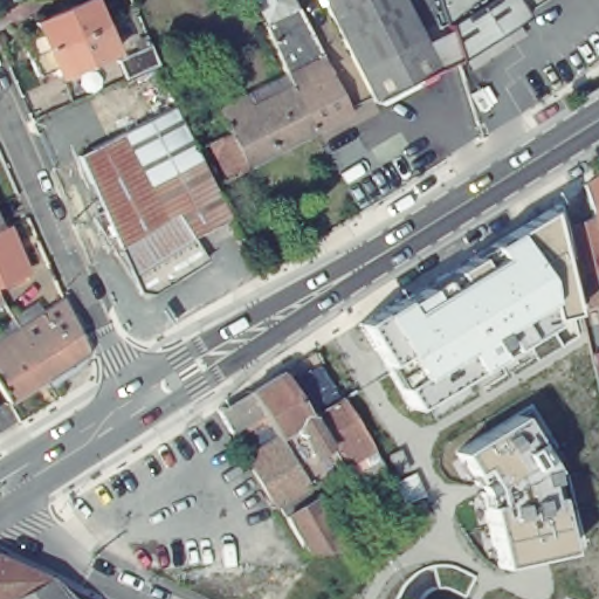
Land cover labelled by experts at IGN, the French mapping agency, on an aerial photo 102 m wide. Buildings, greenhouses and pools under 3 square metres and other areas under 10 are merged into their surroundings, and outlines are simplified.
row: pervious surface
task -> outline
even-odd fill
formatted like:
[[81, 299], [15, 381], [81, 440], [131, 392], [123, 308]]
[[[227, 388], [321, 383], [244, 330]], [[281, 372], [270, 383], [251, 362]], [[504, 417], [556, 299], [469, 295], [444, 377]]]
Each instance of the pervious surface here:
[[157, 110], [164, 101], [171, 103], [173, 98], [173, 94], [161, 91], [157, 87], [159, 66], [152, 66], [138, 75], [126, 70], [122, 77], [112, 77], [98, 91], [89, 94], [96, 117], [105, 133], [126, 126], [131, 119], [138, 119], [145, 112]]

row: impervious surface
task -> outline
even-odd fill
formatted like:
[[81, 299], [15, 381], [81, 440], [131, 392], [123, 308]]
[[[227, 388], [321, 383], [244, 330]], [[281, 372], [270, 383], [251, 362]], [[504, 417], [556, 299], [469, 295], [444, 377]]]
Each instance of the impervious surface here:
[[473, 480], [466, 466], [475, 461], [475, 456], [463, 452], [456, 456], [454, 470], [459, 477]]
[[447, 21], [452, 16], [447, 9], [447, 0], [412, 0], [412, 7], [431, 40], [442, 37], [435, 21]]
[[433, 573], [424, 573], [407, 587], [405, 599], [428, 599], [433, 592], [438, 592], [435, 583]]
[[208, 564], [211, 557], [218, 557], [222, 552], [227, 569], [234, 569], [234, 564], [239, 564], [241, 559], [250, 559], [257, 564], [290, 562], [297, 557], [297, 552], [269, 515], [267, 498], [260, 491], [267, 484], [267, 480], [253, 468], [243, 473], [227, 466], [225, 445], [236, 433], [225, 407], [246, 400], [248, 395], [262, 391], [283, 374], [290, 374], [304, 391], [309, 384], [316, 381], [311, 367], [321, 365], [321, 346], [330, 344], [332, 349], [339, 349], [344, 353], [346, 365], [353, 370], [353, 379], [358, 384], [363, 388], [363, 398], [370, 405], [379, 426], [398, 445], [407, 445], [414, 456], [414, 463], [405, 470], [405, 473], [414, 466], [424, 468], [431, 489], [435, 491], [440, 496], [440, 503], [433, 512], [431, 529], [407, 552], [391, 559], [388, 566], [379, 571], [374, 580], [367, 585], [367, 590], [358, 599], [384, 599], [386, 590], [393, 585], [398, 573], [426, 559], [456, 559], [468, 564], [477, 571], [477, 576], [468, 580], [468, 587], [461, 594], [461, 599], [548, 599], [552, 594], [552, 566], [545, 562], [541, 566], [529, 569], [501, 569], [498, 564], [489, 569], [473, 552], [463, 529], [456, 524], [456, 508], [468, 496], [475, 498], [473, 508], [484, 512], [498, 508], [496, 494], [484, 501], [484, 491], [475, 482], [470, 487], [459, 487], [445, 482], [435, 473], [433, 445], [438, 435], [456, 421], [466, 419], [468, 414], [477, 412], [480, 407], [484, 407], [487, 402], [508, 395], [515, 386], [550, 367], [559, 358], [566, 358], [573, 351], [578, 351], [583, 344], [590, 342], [592, 351], [599, 353], [599, 325], [592, 325], [592, 321], [585, 318], [585, 328], [578, 325], [571, 332], [571, 339], [557, 346], [552, 353], [536, 360], [529, 370], [515, 374], [512, 367], [501, 367], [496, 374], [480, 370], [473, 379], [468, 379], [468, 384], [480, 386], [480, 391], [480, 398], [475, 398], [475, 402], [459, 407], [456, 412], [452, 412], [449, 419], [440, 419], [433, 426], [419, 426], [400, 416], [395, 407], [388, 402], [381, 388], [381, 379], [388, 377], [386, 365], [365, 337], [365, 330], [370, 325], [377, 325], [416, 302], [428, 300], [433, 292], [442, 290], [449, 283], [456, 283], [463, 290], [470, 288], [466, 269], [484, 262], [491, 250], [501, 250], [501, 246], [512, 246], [524, 236], [524, 229], [550, 220], [552, 215], [566, 215], [569, 228], [592, 220], [592, 211], [585, 194], [585, 173], [592, 168], [594, 173], [599, 173], [599, 0], [536, 0], [536, 9], [526, 14], [526, 21], [522, 23], [524, 40], [491, 58], [487, 66], [473, 68], [468, 61], [461, 68], [456, 68], [456, 73], [449, 80], [440, 80], [438, 84], [426, 87], [424, 91], [400, 103], [374, 105], [367, 96], [370, 91], [374, 91], [372, 82], [363, 63], [358, 61], [358, 54], [342, 21], [332, 23], [325, 9], [318, 5], [318, 0], [297, 0], [297, 5], [307, 12], [325, 49], [328, 63], [335, 70], [339, 84], [344, 87], [359, 121], [358, 126], [351, 126], [332, 136], [330, 143], [323, 145], [323, 154], [330, 154], [337, 161], [337, 171], [349, 183], [346, 187], [363, 213], [346, 220], [342, 227], [335, 227], [321, 241], [321, 248], [314, 257], [307, 257], [302, 262], [285, 262], [278, 267], [278, 271], [267, 276], [253, 276], [241, 257], [241, 236], [232, 227], [227, 225], [222, 229], [215, 229], [211, 239], [199, 239], [201, 248], [206, 250], [204, 260], [183, 271], [178, 278], [168, 281], [166, 285], [157, 288], [154, 297], [147, 295], [124, 255], [122, 234], [117, 239], [110, 236], [110, 227], [103, 211], [108, 211], [110, 206], [103, 197], [98, 180], [87, 187], [87, 183], [77, 173], [77, 159], [84, 157], [82, 147], [89, 140], [105, 133], [96, 117], [89, 94], [98, 91], [112, 77], [122, 77], [126, 70], [126, 63], [117, 58], [103, 61], [98, 66], [98, 73], [84, 73], [82, 87], [77, 82], [63, 80], [63, 70], [56, 70], [54, 75], [47, 70], [37, 80], [35, 89], [19, 84], [16, 70], [12, 70], [11, 64], [0, 42], [0, 187], [5, 194], [12, 194], [19, 201], [16, 213], [30, 232], [30, 243], [37, 253], [35, 264], [28, 271], [28, 276], [19, 278], [19, 283], [9, 292], [2, 290], [5, 302], [19, 311], [28, 311], [33, 307], [42, 307], [47, 311], [49, 307], [68, 302], [89, 342], [89, 349], [77, 358], [80, 365], [54, 377], [51, 386], [42, 384], [40, 393], [47, 407], [37, 414], [21, 419], [16, 405], [14, 400], [5, 402], [0, 395], [0, 555], [7, 555], [12, 559], [19, 559], [28, 566], [35, 566], [44, 573], [61, 578], [77, 599], [204, 599], [152, 576], [152, 569], [159, 566], [159, 559], [166, 559], [171, 564], [183, 564], [187, 559], [190, 564]]
[[150, 42], [140, 16], [133, 19], [133, 35], [122, 37], [126, 58], [152, 54], [159, 63], [161, 51]]
[[26, 19], [30, 19], [37, 26], [89, 0], [0, 0], [0, 30], [7, 30], [12, 23]]

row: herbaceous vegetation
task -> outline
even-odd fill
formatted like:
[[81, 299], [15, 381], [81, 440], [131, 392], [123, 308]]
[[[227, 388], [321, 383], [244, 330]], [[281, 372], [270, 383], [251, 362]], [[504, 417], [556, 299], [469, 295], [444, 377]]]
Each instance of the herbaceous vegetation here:
[[161, 42], [171, 37], [180, 47], [185, 47], [197, 35], [213, 35], [215, 40], [229, 47], [229, 54], [236, 68], [241, 70], [246, 94], [267, 87], [271, 80], [264, 77], [260, 68], [260, 47], [250, 30], [236, 16], [211, 14], [206, 9], [206, 0], [103, 0], [122, 37], [133, 35], [133, 19], [140, 16], [150, 42], [161, 51]]
[[40, 393], [16, 405], [21, 419], [37, 414], [47, 407]]
[[7, 227], [16, 229], [28, 262], [35, 264], [37, 253], [30, 243], [30, 232], [16, 213], [19, 201], [12, 194], [5, 194], [0, 187], [0, 215]]
[[398, 480], [405, 480], [405, 473], [405, 470], [398, 463], [393, 463], [398, 445], [379, 426], [370, 405], [363, 398], [356, 395], [351, 407], [358, 412], [365, 428], [370, 431], [381, 466], [391, 470]]
[[599, 377], [594, 377], [590, 358], [585, 358], [578, 351], [573, 351], [566, 358], [559, 358], [550, 367], [515, 386], [508, 395], [487, 402], [484, 407], [480, 407], [477, 412], [468, 414], [466, 419], [456, 421], [438, 435], [433, 445], [435, 473], [445, 482], [459, 487], [470, 487], [475, 482], [473, 480], [459, 477], [454, 470], [456, 456], [463, 452], [456, 447], [454, 440], [468, 442], [473, 438], [473, 442], [477, 442], [505, 421], [510, 421], [512, 416], [517, 416], [524, 405], [536, 405], [536, 421], [548, 433], [555, 456], [566, 468], [564, 496], [573, 503], [580, 533], [587, 538], [585, 557], [552, 566], [552, 594], [548, 599], [599, 599]]
[[388, 377], [381, 379], [381, 388], [388, 402], [395, 407], [400, 416], [419, 426], [433, 426], [440, 419], [449, 419], [452, 412], [456, 412], [459, 407], [475, 402], [475, 398], [480, 398], [480, 391], [470, 391], [468, 398], [447, 407], [445, 412], [428, 414], [409, 409]]
[[456, 571], [440, 571], [440, 580], [435, 583], [438, 592], [433, 592], [428, 599], [461, 599], [461, 594], [468, 587], [468, 580]]
[[342, 227], [346, 220], [363, 213], [346, 187], [349, 183], [337, 171], [337, 161], [330, 154], [323, 154], [323, 145], [318, 140], [309, 140], [309, 145], [300, 145], [288, 157], [283, 154], [271, 161], [264, 161], [260, 168], [250, 168], [243, 175], [248, 178], [248, 185], [257, 187], [260, 194], [264, 194], [269, 201], [321, 194], [325, 199], [325, 206], [318, 215], [314, 215], [314, 232], [321, 241], [335, 227]]
[[11, 64], [12, 70], [16, 70], [19, 84], [35, 89], [37, 80], [33, 75], [30, 63], [19, 56]]
[[353, 379], [353, 370], [346, 365], [344, 353], [339, 349], [332, 349], [330, 344], [321, 346], [321, 365], [337, 384], [337, 393], [342, 400], [358, 384]]
[[489, 529], [484, 524], [484, 512], [473, 508], [475, 498], [468, 496], [456, 508], [456, 524], [463, 529], [473, 552], [489, 569], [498, 564], [494, 548], [484, 548], [482, 543], [482, 533]]
[[288, 515], [283, 510], [274, 510], [269, 515], [297, 552], [297, 557], [290, 562], [257, 564], [250, 559], [241, 559], [239, 564], [234, 564], [234, 569], [227, 569], [222, 552], [218, 557], [211, 557], [208, 564], [190, 564], [187, 559], [183, 564], [171, 564], [166, 559], [159, 559], [159, 566], [152, 569], [152, 576], [204, 599], [358, 599], [367, 590], [367, 585], [353, 580], [351, 571], [344, 566], [339, 555], [311, 555], [309, 545], [304, 548], [295, 538], [288, 524]]
[[557, 346], [555, 339], [538, 344], [538, 349], [531, 356], [526, 356], [512, 367], [515, 374], [529, 370], [536, 360], [552, 353]]

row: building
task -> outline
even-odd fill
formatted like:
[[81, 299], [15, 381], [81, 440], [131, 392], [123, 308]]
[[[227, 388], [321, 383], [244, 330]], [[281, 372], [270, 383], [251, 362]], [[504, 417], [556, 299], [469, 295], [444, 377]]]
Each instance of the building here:
[[250, 168], [260, 168], [264, 161], [271, 161], [283, 154], [288, 157], [300, 145], [309, 145], [309, 140], [318, 140], [323, 145], [330, 143], [332, 136], [351, 126], [358, 126], [359, 121], [344, 87], [339, 84], [335, 70], [328, 63], [325, 49], [307, 12], [297, 5], [297, 0], [260, 0], [260, 5], [264, 7], [267, 37], [276, 49], [283, 70], [281, 77], [271, 80], [267, 87], [246, 94], [236, 105], [227, 110], [227, 119], [232, 124], [229, 136], [215, 140], [213, 152], [206, 157], [201, 157], [201, 152], [197, 150], [197, 140], [185, 126], [185, 119], [178, 110], [178, 101], [173, 98], [171, 103], [164, 101], [157, 110], [145, 112], [138, 119], [131, 119], [126, 126], [105, 133], [89, 140], [82, 147], [84, 157], [77, 159], [77, 173], [87, 183], [87, 187], [98, 180], [103, 197], [110, 206], [108, 211], [103, 211], [110, 227], [110, 236], [117, 239], [122, 234], [124, 255], [147, 295], [154, 297], [157, 288], [166, 285], [168, 281], [178, 278], [183, 271], [204, 260], [206, 250], [201, 248], [199, 239], [211, 239], [215, 229], [222, 229], [227, 225], [232, 227], [232, 211], [225, 197], [220, 194], [215, 180], [222, 175], [232, 180], [236, 175], [243, 175]]
[[590, 358], [594, 377], [599, 377], [599, 353], [592, 351], [590, 342], [583, 344], [578, 351], [585, 358]]
[[19, 559], [12, 559], [7, 555], [0, 555], [0, 599], [77, 599], [61, 578], [44, 573], [35, 566], [28, 566]]
[[405, 470], [414, 463], [414, 456], [407, 445], [398, 445], [393, 463], [398, 463]]
[[16, 229], [7, 227], [0, 215], [0, 395], [5, 402], [14, 400], [16, 405], [40, 393], [42, 384], [51, 386], [54, 377], [80, 365], [77, 358], [89, 349], [89, 342], [68, 302], [49, 307], [47, 311], [42, 307], [33, 307], [28, 311], [19, 311], [5, 302], [2, 290], [9, 292], [19, 283], [19, 278], [28, 276], [28, 271], [35, 264], [28, 262]]
[[491, 250], [484, 262], [466, 269], [470, 288], [463, 290], [456, 283], [449, 283], [442, 290], [433, 292], [428, 300], [416, 302], [377, 325], [370, 325], [365, 330], [365, 337], [386, 365], [388, 377], [409, 409], [428, 414], [445, 412], [447, 407], [468, 398], [470, 391], [480, 391], [480, 386], [468, 384], [468, 379], [473, 379], [480, 370], [496, 374], [501, 367], [512, 367], [526, 356], [531, 356], [538, 349], [538, 344], [555, 339], [557, 346], [571, 339], [571, 332], [578, 325], [585, 328], [585, 318], [592, 321], [592, 325], [599, 325], [599, 173], [594, 173], [592, 168], [585, 173], [585, 194], [592, 211], [592, 220], [569, 228], [566, 215], [552, 215], [550, 220], [524, 229], [524, 236], [512, 246], [501, 246], [501, 250]]
[[77, 82], [82, 87], [84, 73], [98, 73], [98, 66], [103, 61], [117, 58], [126, 63], [126, 70], [138, 75], [152, 66], [159, 66], [159, 63], [152, 54], [126, 58], [122, 37], [103, 0], [89, 0], [37, 26], [37, 49], [42, 56], [30, 63], [33, 75], [37, 80], [47, 70], [54, 75], [56, 70], [63, 70], [63, 80]]
[[498, 508], [484, 512], [484, 524], [489, 529], [482, 533], [482, 543], [484, 548], [494, 548], [498, 564], [501, 569], [529, 569], [541, 566], [545, 562], [552, 566], [585, 557], [587, 538], [580, 533], [573, 503], [564, 496], [566, 468], [555, 456], [548, 433], [536, 421], [536, 405], [524, 405], [517, 416], [512, 416], [510, 421], [505, 421], [477, 442], [473, 442], [473, 438], [468, 442], [454, 440], [456, 447], [463, 452], [475, 456], [475, 461], [466, 466], [473, 480], [475, 482], [484, 491], [484, 501], [496, 494]]
[[321, 365], [311, 367], [316, 381], [309, 384], [304, 391], [290, 374], [283, 374], [262, 391], [248, 395], [246, 400], [225, 407], [236, 433], [250, 431], [260, 438], [260, 452], [253, 468], [267, 480], [267, 484], [260, 491], [267, 498], [269, 515], [274, 510], [283, 510], [288, 515], [288, 524], [295, 538], [304, 548], [309, 545], [311, 555], [339, 555], [337, 541], [332, 538], [325, 524], [325, 515], [321, 508], [323, 477], [337, 461], [344, 461], [351, 470], [360, 468], [365, 473], [374, 473], [381, 466], [370, 431], [365, 428], [358, 412], [351, 407], [356, 395], [363, 398], [363, 388], [358, 384], [342, 400], [337, 393], [337, 384]]
[[431, 40], [412, 7], [412, 0], [318, 0], [318, 5], [325, 9], [332, 23], [342, 21], [358, 54], [358, 61], [363, 63], [372, 82], [374, 91], [370, 91], [367, 96], [374, 105], [400, 103], [424, 91], [426, 87], [438, 84], [440, 80], [449, 80], [456, 73], [456, 68], [461, 68], [468, 61], [473, 68], [487, 66], [491, 58], [524, 40], [522, 23], [526, 21], [526, 14], [536, 9], [536, 0], [447, 0], [447, 9], [452, 16], [447, 21], [435, 21], [442, 37]]
[[468, 580], [477, 576], [477, 571], [468, 564], [456, 559], [426, 559], [398, 573], [393, 585], [386, 590], [384, 599], [405, 599], [407, 587], [424, 573], [433, 573], [435, 583], [440, 580], [440, 571], [456, 571]]
[[414, 466], [405, 473], [405, 480], [419, 498], [433, 496], [435, 491], [431, 489], [424, 468]]

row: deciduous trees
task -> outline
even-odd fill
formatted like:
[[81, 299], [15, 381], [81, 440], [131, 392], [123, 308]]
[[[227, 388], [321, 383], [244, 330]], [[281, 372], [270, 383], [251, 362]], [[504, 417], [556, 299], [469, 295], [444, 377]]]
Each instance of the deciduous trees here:
[[225, 445], [227, 466], [243, 473], [253, 468], [260, 452], [260, 438], [250, 431], [236, 433]]
[[220, 194], [225, 197], [232, 211], [232, 227], [241, 236], [241, 257], [253, 276], [267, 276], [278, 271], [278, 267], [285, 262], [302, 262], [307, 257], [314, 257], [321, 248], [321, 241], [314, 232], [314, 215], [318, 215], [325, 206], [325, 199], [321, 194], [269, 201], [264, 194], [260, 194], [257, 187], [248, 185], [248, 178], [243, 175], [236, 175], [232, 180], [222, 175], [215, 180]]
[[227, 119], [227, 110], [236, 105], [246, 94], [241, 70], [236, 68], [229, 54], [229, 47], [215, 40], [213, 35], [197, 35], [185, 47], [180, 47], [171, 37], [161, 42], [161, 51], [159, 63], [159, 66], [157, 87], [161, 91], [173, 94], [173, 98], [178, 101], [178, 110], [185, 119], [185, 126], [197, 140], [197, 150], [201, 152], [201, 157], [206, 157], [213, 152], [215, 140], [229, 136], [232, 124]]
[[12, 23], [7, 30], [0, 30], [0, 42], [11, 64], [19, 56], [30, 63], [42, 56], [37, 49], [37, 26], [30, 19], [26, 19]]
[[250, 30], [260, 47], [260, 68], [264, 77], [271, 80], [281, 77], [283, 70], [276, 49], [267, 37], [264, 7], [260, 5], [260, 0], [206, 0], [206, 9], [211, 14], [236, 16]]
[[374, 473], [365, 473], [360, 468], [351, 470], [344, 461], [337, 461], [323, 477], [321, 508], [325, 515], [325, 524], [332, 538], [337, 541], [339, 555], [344, 566], [351, 571], [353, 580], [367, 585], [374, 580], [379, 571], [388, 566], [391, 559], [407, 552], [431, 529], [433, 512], [440, 503], [440, 496], [435, 491], [433, 496], [419, 498], [405, 480], [398, 480], [391, 470], [381, 466]]

